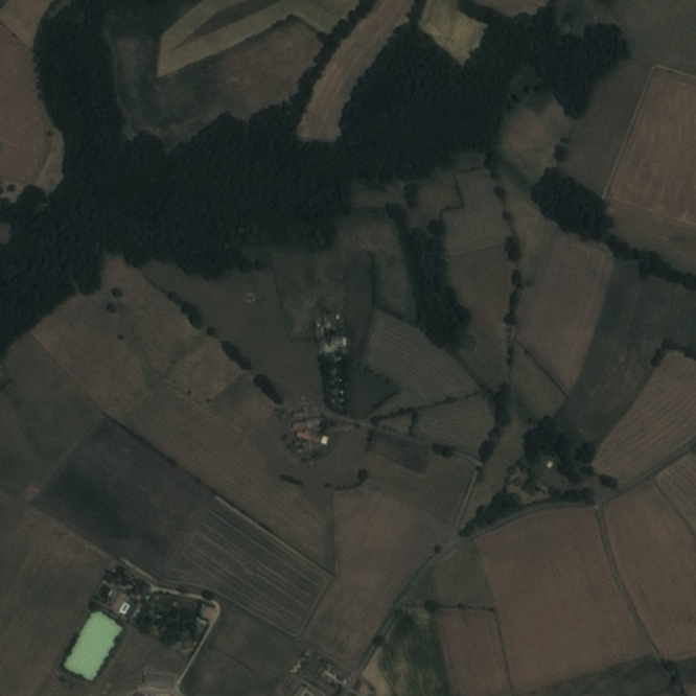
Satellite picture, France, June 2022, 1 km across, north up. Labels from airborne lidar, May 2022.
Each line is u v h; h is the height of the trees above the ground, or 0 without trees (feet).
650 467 0
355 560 0
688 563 0
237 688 0
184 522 0
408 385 0
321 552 0
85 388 0
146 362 0
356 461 0
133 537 0
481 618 0
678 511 0
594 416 0
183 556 0
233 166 48
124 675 0
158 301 0
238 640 0
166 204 79
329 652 0
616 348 0
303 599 0
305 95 48
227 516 0
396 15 0
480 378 0
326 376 39
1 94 0
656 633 0
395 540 0
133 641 0
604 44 66
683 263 0
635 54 0
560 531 0
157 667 0
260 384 57
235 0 0
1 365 0
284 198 85
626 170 0
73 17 69
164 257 63
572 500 49
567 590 0
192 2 0
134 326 0
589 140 0
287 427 0
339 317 0
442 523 0
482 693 0
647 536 0
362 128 86
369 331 0
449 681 0
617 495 0
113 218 66
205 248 69
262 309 0
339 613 0
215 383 0
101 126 89
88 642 0
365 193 0
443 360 0
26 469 0
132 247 57
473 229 0
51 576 0
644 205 0
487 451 54
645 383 0
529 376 0
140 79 0
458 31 0
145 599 21
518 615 0
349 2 0
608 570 0
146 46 0
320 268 0
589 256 0
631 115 0
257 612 0
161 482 0
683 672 0
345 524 0
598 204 56
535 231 0
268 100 0
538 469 0
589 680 0
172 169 43
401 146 63
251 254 0
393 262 0
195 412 0
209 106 0
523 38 54
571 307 0
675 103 0
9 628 0
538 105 0
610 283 0
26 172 0
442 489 0
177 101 0
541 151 0
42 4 0
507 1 0
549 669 0
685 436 0
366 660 0
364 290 0
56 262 69
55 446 0
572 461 66
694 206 0
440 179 0
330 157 56
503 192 49
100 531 0
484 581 0
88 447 0
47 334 0
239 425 0
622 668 0
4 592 0
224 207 67
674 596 0
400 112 60
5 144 0
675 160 0
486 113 85
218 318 0
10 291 85
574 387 0
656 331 0
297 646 0
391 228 0
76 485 0
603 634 0
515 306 41
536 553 0
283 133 67
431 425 0
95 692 0
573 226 57
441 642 0
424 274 38
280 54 0
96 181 43
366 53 0
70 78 73
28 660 0
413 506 0
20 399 0
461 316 55
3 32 0
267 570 0
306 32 0
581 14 0
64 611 0
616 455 0
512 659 0
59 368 0
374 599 0
